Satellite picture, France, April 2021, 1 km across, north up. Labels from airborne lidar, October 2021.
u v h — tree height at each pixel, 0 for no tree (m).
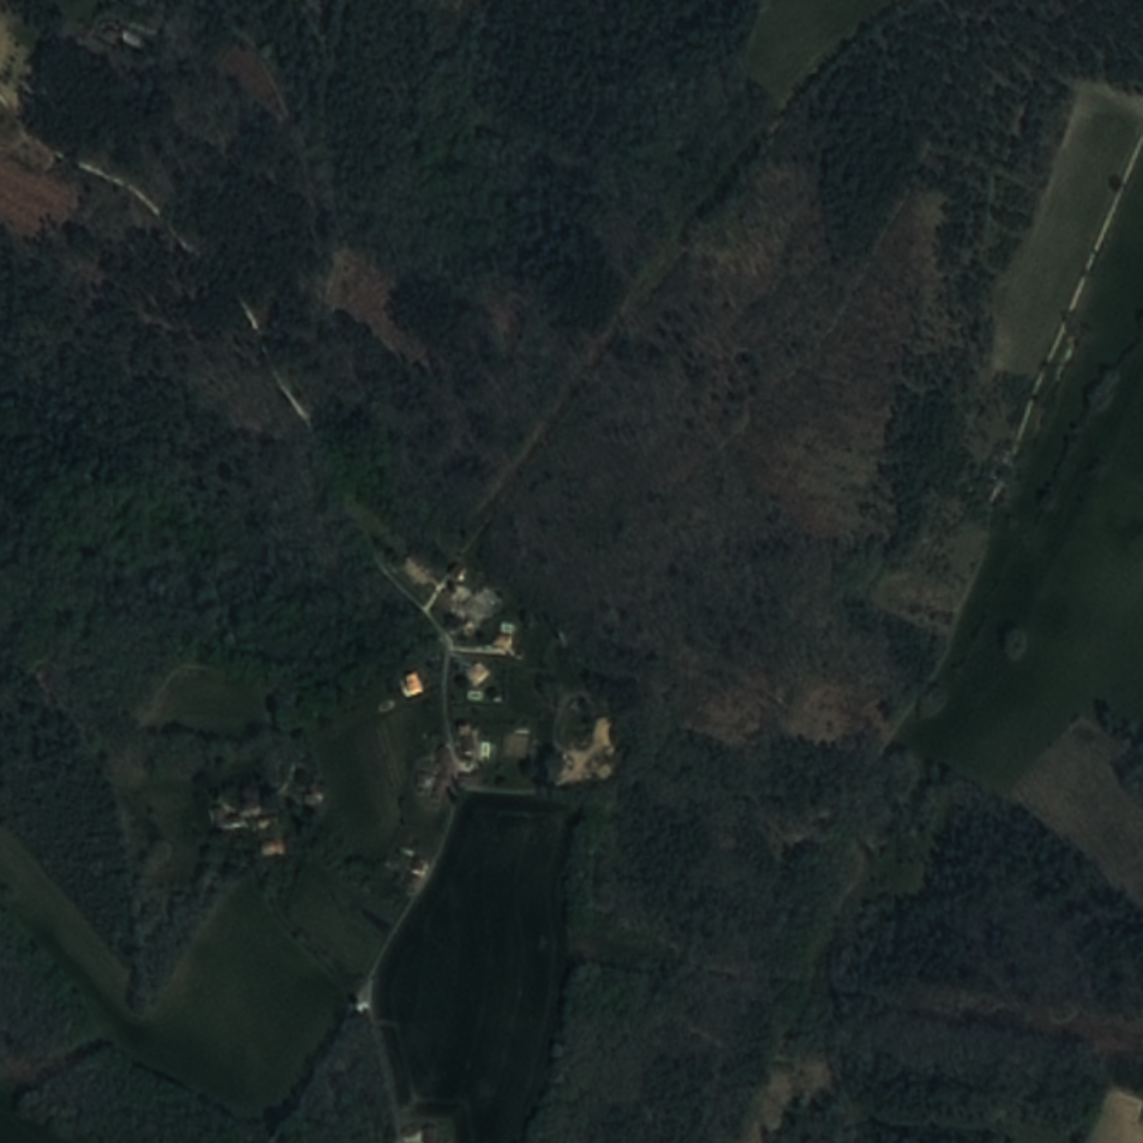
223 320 24
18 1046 12
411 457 21
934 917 18
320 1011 0
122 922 9
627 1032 23
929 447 15
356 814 0
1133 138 0
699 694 11
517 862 0
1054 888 20
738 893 19
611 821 11
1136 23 19
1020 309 0
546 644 0
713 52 21
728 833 19
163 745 18
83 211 11
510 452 19
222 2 20
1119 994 23
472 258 18
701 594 20
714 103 24
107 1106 16
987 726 0
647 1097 13
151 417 25
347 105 26
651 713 23
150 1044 0
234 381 15
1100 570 0
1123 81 20
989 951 13
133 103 19
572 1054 18
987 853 17
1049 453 0
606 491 12
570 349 20
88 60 22
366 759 0
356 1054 22
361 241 20
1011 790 0
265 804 18
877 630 15
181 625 23
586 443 14
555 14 17
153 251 24
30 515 29
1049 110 15
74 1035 22
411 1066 0
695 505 10
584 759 0
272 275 24
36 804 6
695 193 22
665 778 20
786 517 12
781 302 7
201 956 0
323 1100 18
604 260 20
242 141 21
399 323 18
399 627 23
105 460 28
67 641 29
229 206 26
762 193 12
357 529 17
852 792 18
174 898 8
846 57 14
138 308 20
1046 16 16
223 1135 22
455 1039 0
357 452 24
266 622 20
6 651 18
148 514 26
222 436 22
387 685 9
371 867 7
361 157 25
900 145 20
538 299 18
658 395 19
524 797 0
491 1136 0
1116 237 0
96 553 14
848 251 11
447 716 0
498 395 20
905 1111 16
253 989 0
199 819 0
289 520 20
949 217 11
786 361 12
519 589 15
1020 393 6
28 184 0
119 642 26
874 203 18
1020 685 0
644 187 26
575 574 14
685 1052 16
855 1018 16
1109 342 0
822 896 25
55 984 25
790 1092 0
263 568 16
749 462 17
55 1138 11
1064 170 0
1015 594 0
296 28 15
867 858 22
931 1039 19
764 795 25
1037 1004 20
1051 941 17
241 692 0
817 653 23
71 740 15
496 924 0
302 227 25
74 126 24
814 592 20
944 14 16
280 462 24
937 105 14
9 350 24
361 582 20
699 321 19
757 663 6
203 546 17
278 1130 19
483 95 24
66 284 24
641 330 13
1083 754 0
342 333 19
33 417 27
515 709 0
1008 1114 13
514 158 19
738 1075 17
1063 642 0
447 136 20
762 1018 20
